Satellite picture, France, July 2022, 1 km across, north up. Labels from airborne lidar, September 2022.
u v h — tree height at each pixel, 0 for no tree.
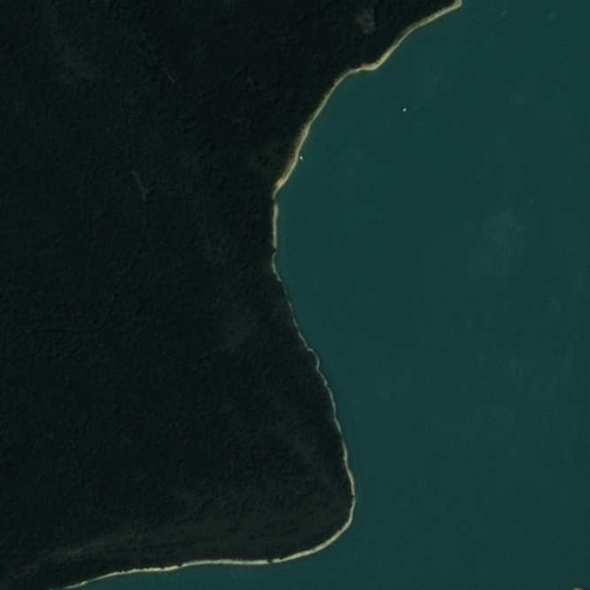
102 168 16
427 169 0
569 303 0
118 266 10
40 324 16
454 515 0
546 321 0
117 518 6
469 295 0
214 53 24
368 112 0
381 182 0
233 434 10
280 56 31
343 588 0
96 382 17
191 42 21
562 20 0
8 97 12
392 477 0
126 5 8
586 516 0
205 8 15
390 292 0
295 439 8
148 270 8
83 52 6
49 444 22
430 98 0
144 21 26
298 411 13
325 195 0
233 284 11
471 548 0
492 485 0
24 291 16
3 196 17
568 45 0
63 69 13
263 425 7
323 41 22
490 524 0
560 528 0
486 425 0
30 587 16
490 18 0
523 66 0
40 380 15
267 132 27
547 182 0
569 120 0
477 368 0
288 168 0
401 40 0
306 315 0
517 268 0
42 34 14
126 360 15
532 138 0
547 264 0
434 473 0
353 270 0
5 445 22
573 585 0
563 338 0
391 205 0
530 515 0
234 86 24
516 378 0
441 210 0
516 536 0
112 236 13
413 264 0
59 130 16
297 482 11
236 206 25
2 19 14
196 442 14
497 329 0
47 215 17
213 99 20
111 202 14
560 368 0
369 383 0
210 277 22
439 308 0
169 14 21
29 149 16
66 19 11
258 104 24
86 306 17
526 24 0
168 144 12
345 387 0
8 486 20
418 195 0
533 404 0
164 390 17
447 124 0
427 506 0
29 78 26
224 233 14
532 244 0
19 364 20
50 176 20
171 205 18
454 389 0
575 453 0
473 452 0
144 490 12
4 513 16
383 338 0
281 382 17
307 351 8
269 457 17
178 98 26
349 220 0
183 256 19
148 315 21
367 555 0
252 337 11
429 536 0
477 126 0
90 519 12
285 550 6
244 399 16
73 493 13
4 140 20
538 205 0
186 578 0
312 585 0
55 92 21
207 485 12
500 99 0
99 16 12
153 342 17
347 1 30
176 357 13
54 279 15
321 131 0
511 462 0
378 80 0
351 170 0
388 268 0
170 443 17
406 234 0
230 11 18
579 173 0
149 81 17
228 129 31
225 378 19
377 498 0
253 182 23
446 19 0
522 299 0
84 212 15
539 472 0
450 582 0
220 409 14
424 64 0
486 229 0
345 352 0
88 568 18
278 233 0
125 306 22
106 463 15
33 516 12
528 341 0
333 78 19
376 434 0
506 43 0
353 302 0
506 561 0
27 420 15
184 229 17
